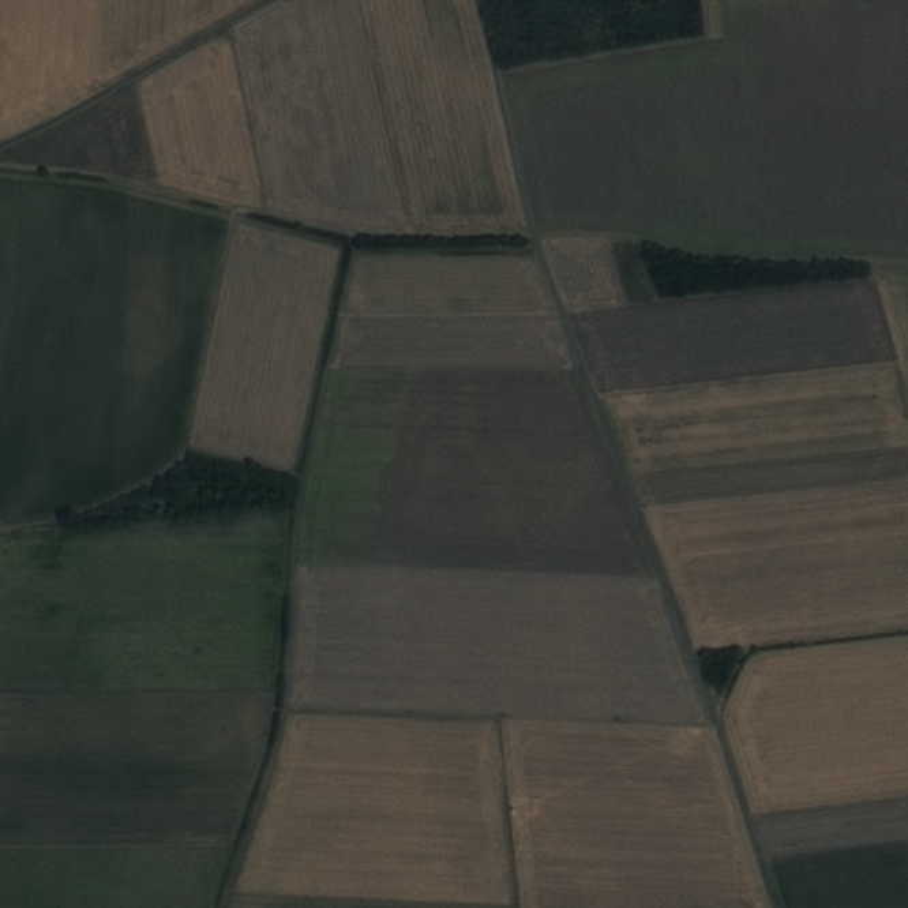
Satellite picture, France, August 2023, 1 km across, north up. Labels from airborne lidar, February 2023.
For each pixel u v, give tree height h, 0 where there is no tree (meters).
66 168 0
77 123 0
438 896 0
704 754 0
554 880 0
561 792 0
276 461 0
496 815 0
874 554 0
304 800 0
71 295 0
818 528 0
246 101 0
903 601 0
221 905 0
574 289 0
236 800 0
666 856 0
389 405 0
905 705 0
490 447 0
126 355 0
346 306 0
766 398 0
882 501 0
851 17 0
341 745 0
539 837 0
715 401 0
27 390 0
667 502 0
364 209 0
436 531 0
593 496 0
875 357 0
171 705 0
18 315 0
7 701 0
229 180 0
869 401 0
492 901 0
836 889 0
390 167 0
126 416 0
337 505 0
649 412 0
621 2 6
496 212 0
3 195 0
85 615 0
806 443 0
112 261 0
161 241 0
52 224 0
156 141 0
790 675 0
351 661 0
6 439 0
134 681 0
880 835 0
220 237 0
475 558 0
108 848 0
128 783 0
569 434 0
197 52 0
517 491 0
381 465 0
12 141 0
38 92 0
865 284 0
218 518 12
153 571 0
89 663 0
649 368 0
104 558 0
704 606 0
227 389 0
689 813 0
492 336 0
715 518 0
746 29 0
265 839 0
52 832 0
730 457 0
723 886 0
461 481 0
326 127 0
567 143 0
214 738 0
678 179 0
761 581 0
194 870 0
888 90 0
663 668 0
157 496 16
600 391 0
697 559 0
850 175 0
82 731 0
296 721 0
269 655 0
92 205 0
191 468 7
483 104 0
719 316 0
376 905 0
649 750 0
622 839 0
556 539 0
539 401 0
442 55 0
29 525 0
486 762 0
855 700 0
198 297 0
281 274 0
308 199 0
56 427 0
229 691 0
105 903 0
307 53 0
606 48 13
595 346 0
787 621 0
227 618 0
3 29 0
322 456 0
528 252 0
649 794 0
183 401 0
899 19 0
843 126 0
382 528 0
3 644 0
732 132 0
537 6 11
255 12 0
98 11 0
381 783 0
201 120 0
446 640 0
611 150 0
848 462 0
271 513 13
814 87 0
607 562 0
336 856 0
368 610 0
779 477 0
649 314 0
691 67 0
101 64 0
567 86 0
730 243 0
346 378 0
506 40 14
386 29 0
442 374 0
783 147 0
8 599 0
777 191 0
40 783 0
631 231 0
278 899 0
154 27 0
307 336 0
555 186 0
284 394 0
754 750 0
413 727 0
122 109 0
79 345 0
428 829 0
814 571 0
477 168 0
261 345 0
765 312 0
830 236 0
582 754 0
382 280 0
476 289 0
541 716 0
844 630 0
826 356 0
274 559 0
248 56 0
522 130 0
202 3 0
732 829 0
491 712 0
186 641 0
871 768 0
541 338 0
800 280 7
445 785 0
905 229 0
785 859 0
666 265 12
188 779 0
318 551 0
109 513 11
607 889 0
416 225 0
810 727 0
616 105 0
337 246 0
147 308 0
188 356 0
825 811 0
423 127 0
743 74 0
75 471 0
